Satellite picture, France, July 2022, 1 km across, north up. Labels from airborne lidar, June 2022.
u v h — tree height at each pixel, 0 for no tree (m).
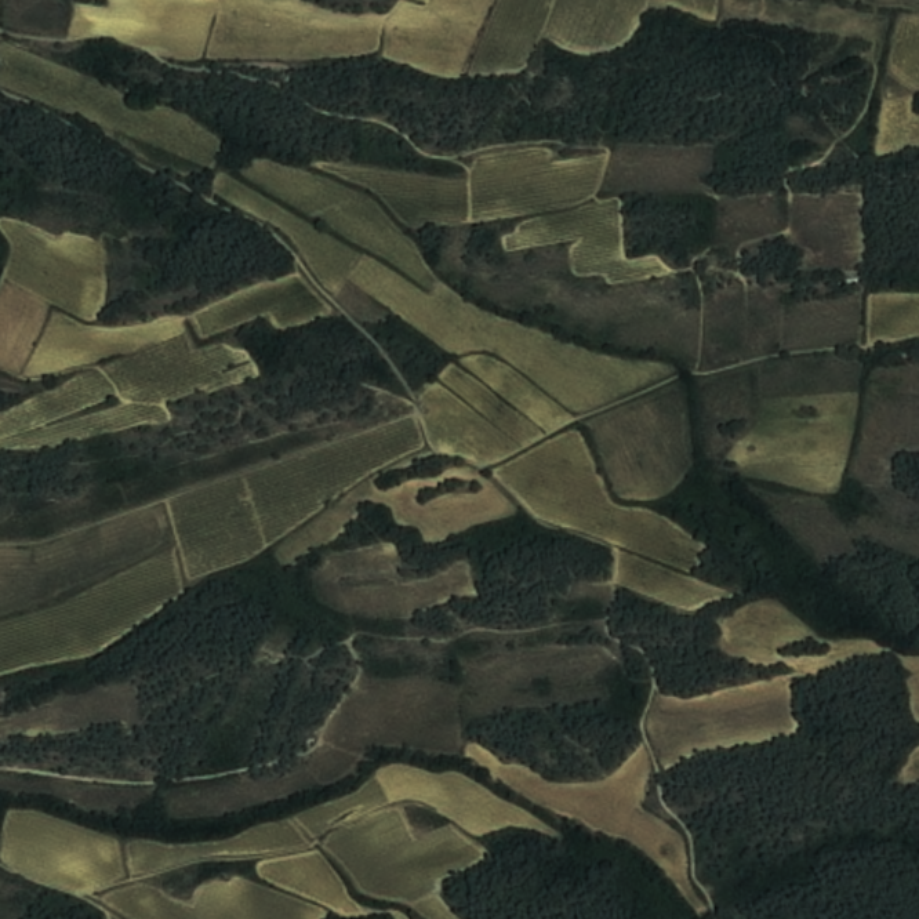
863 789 10
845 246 0
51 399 0
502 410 0
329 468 0
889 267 11
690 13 7
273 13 0
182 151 0
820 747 14
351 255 0
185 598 10
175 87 12
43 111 13
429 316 0
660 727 0
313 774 0
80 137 9
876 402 0
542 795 0
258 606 15
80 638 0
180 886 0
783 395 0
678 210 6
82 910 13
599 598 0
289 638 0
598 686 0
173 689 12
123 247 0
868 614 12
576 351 0
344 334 14
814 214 0
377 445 0
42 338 0
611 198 0
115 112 0
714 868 8
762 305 0
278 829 0
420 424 0
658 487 0
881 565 12
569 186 0
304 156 12
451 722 0
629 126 7
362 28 0
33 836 0
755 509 16
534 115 8
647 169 0
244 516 0
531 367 0
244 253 16
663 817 0
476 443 0
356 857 0
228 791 0
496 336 0
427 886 0
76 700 0
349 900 0
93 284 0
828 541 0
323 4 16
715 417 0
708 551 13
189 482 0
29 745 10
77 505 0
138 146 0
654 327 0
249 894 0
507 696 0
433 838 0
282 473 0
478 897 14
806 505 0
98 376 0
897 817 17
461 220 0
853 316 0
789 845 15
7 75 0
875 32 0
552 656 0
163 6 0
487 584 12
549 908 15
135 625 7
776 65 11
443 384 0
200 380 0
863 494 9
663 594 0
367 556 0
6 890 0
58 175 12
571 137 11
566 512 0
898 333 0
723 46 13
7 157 18
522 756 15
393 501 0
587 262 0
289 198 0
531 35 0
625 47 7
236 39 0
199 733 14
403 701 0
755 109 13
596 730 11
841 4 8
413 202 0
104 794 0
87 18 0
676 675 11
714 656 16
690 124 10
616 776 0
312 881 0
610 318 0
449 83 8
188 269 17
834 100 8
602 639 12
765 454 0
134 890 0
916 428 0
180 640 13
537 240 0
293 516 0
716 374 0
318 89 10
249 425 10
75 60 6
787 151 11
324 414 10
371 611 0
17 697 6
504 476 0
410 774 0
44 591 0
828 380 0
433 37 0
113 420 0
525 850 13
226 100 12
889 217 11
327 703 13
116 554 0
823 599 11
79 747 9
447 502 0
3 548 0
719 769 11
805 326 0
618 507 0
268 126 10
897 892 15
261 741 11
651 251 9
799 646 15
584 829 20
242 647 13
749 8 0
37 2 0
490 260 7
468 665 0
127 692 0
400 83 7
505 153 0
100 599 0
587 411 0
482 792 0
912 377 0
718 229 0
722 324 0
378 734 0
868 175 9
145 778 0
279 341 9
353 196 0
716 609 12
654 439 0
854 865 16
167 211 15
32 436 0
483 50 0
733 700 0
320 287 0
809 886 13
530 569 14
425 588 0
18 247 0
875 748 11
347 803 0
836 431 0
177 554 0
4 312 0
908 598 13
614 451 0
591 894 15
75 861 0
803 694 17
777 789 12
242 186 0
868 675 14
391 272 0
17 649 0
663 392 0
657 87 13
